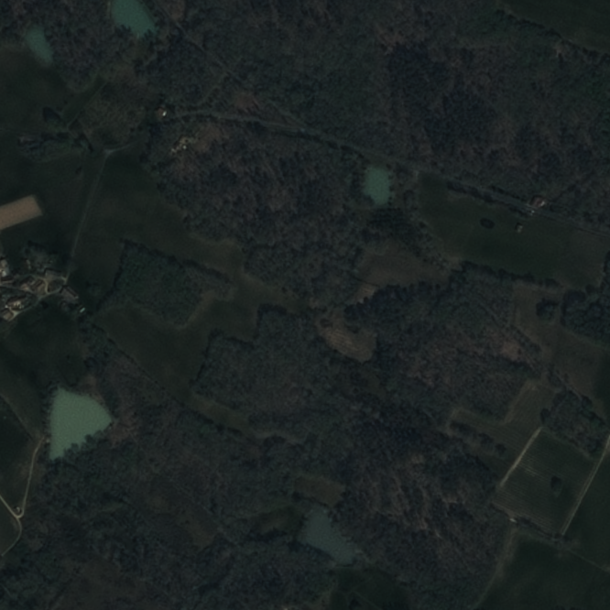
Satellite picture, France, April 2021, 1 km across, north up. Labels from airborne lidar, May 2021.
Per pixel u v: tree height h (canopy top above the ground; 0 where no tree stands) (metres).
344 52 24
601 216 11
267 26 15
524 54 17
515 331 14
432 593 22
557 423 13
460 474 20
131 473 13
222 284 25
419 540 18
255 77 29
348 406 22
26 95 0
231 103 21
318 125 20
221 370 20
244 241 17
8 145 0
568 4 0
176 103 15
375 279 0
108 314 10
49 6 25
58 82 0
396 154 19
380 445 23
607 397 0
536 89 21
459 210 0
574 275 0
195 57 26
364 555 15
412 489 20
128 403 8
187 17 16
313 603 22
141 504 8
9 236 0
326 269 14
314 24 11
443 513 19
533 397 0
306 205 22
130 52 22
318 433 22
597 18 0
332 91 23
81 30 18
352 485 23
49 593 24
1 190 0
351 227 24
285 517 0
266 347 24
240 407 22
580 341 16
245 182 5
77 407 0
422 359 15
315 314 8
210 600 21
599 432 10
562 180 17
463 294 20
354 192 18
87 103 0
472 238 0
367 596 0
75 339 0
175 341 0
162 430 9
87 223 0
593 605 0
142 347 0
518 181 19
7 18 24
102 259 0
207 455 17
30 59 0
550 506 0
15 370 0
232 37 24
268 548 21
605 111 17
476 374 12
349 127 20
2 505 0
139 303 18
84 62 21
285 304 0
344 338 0
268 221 25
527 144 23
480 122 22
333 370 17
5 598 16
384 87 17
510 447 0
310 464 18
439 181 0
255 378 13
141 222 0
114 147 0
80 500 19
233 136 15
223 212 15
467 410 19
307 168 12
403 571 18
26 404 0
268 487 24
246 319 0
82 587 0
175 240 0
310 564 19
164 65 21
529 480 0
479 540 12
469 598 22
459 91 12
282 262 22
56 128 23
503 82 15
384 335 23
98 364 20
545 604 0
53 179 0
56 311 0
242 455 6
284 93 26
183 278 21
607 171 21
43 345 0
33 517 0
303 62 23
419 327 12
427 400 19
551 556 0
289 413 15
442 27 15
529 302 0
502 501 0
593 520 0
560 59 16
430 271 0
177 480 7
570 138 21
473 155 13
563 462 0
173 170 13
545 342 0
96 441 9
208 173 19
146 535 14
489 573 19
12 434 0
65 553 7
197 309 14
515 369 15
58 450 0
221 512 23
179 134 19
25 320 0
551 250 0
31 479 0
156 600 9
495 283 23
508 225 0
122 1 0
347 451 21
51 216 0
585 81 20
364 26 24
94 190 0
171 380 0
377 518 8
